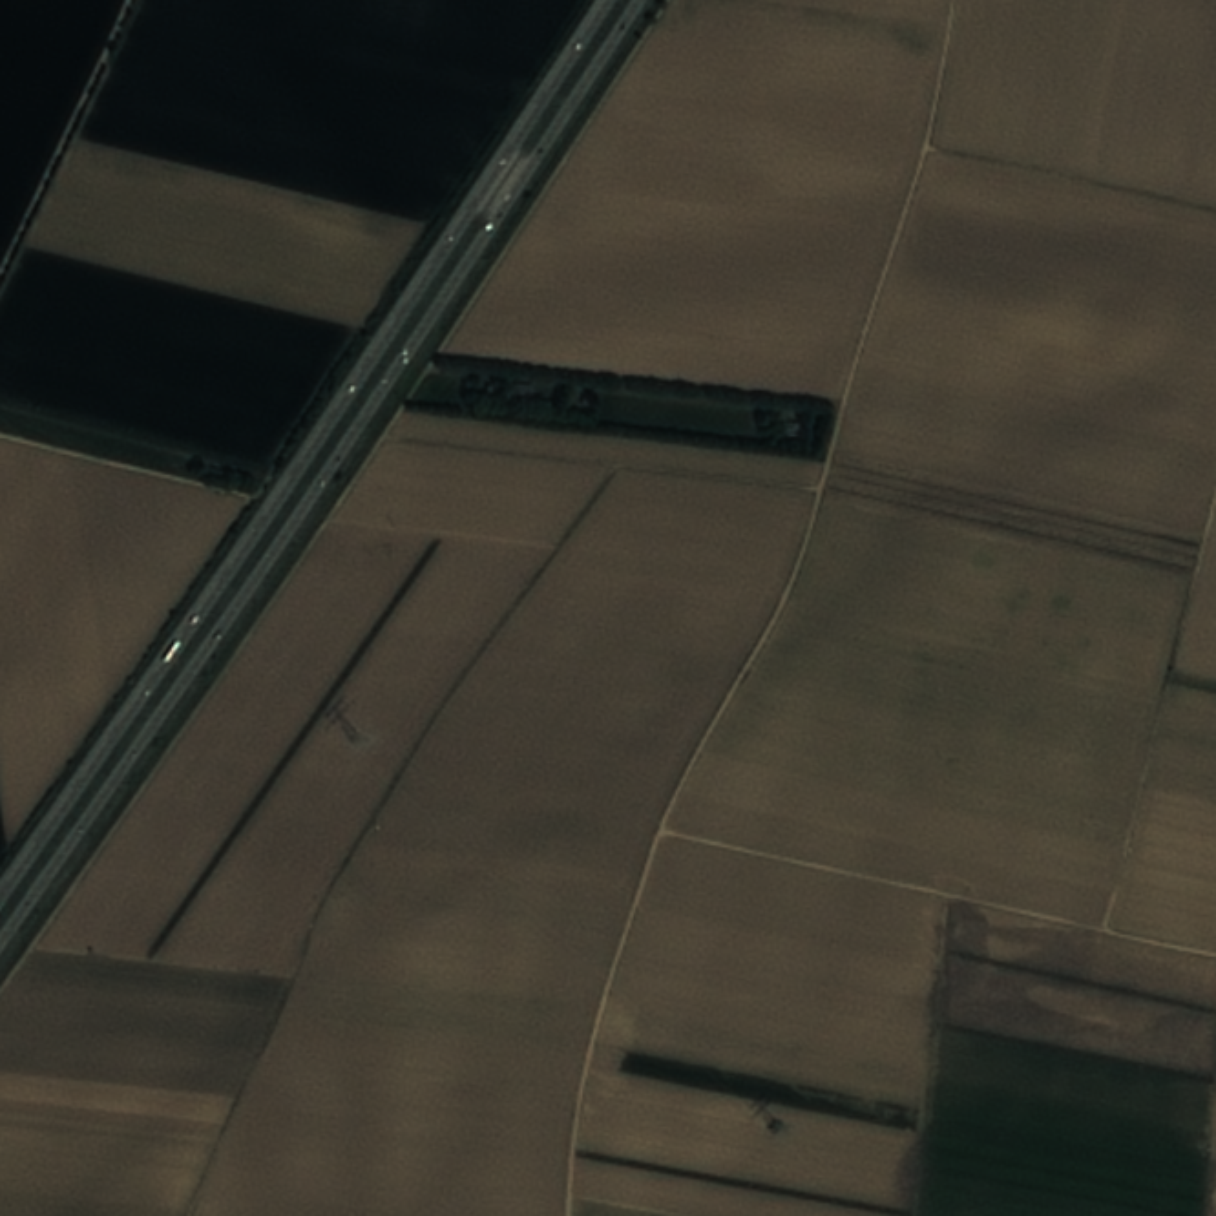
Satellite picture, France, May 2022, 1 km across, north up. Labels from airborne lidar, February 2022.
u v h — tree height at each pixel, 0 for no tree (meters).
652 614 0
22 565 0
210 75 0
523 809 0
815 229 0
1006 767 0
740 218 0
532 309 0
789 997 0
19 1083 0
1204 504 0
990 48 0
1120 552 0
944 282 0
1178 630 0
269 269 0
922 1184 0
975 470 0
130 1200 0
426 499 0
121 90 0
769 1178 0
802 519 0
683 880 0
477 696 0
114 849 0
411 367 0
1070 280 0
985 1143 0
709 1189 0
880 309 0
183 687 0
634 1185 0
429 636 0
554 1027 0
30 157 0
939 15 0
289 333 0
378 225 0
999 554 0
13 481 0
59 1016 0
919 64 0
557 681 0
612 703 0
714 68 0
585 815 0
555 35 0
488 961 0
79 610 0
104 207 0
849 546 0
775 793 0
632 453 0
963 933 0
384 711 0
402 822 0
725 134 0
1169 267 0
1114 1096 0
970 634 0
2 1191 0
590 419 11
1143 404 0
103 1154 0
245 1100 0
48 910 0
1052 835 0
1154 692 0
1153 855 0
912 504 0
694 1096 0
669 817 0
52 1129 0
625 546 0
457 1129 0
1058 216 0
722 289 0
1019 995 0
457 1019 0
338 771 0
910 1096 0
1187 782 0
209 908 0
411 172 0
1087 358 0
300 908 0
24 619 0
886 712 0
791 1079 0
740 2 0
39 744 0
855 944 0
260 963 0
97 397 0
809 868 0
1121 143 0
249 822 0
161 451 0
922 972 0
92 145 0
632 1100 0
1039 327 0
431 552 0
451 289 0
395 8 0
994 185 0
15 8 0
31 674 0
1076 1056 0
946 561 0
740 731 0
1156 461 0
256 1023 0
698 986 0
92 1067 0
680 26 0
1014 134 0
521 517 0
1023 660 0
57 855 0
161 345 0
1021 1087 0
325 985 0
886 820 0
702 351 0
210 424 0
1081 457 0
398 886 0
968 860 0
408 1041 0
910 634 0
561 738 0
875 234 0
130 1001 0
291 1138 0
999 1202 0
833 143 0
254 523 0
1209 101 0
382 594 0
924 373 0
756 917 0
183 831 0
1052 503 0
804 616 0
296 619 0
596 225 0
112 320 0
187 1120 0
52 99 0
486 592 0
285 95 0
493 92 0
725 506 0
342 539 0
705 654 0
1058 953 0
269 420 0
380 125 0
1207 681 0
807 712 0
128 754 0
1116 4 0
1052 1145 0
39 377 0
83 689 0
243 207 0
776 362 0
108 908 0
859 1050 0
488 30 0
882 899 0
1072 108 0
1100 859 0
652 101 0
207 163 0
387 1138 0
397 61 0
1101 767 0
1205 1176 0
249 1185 0
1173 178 0
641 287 0
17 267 0
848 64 0
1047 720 0
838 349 0
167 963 0
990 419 0
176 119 0
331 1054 0
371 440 0
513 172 0
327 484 0
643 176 0
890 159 0
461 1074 0
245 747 0
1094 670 0
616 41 0
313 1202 0
